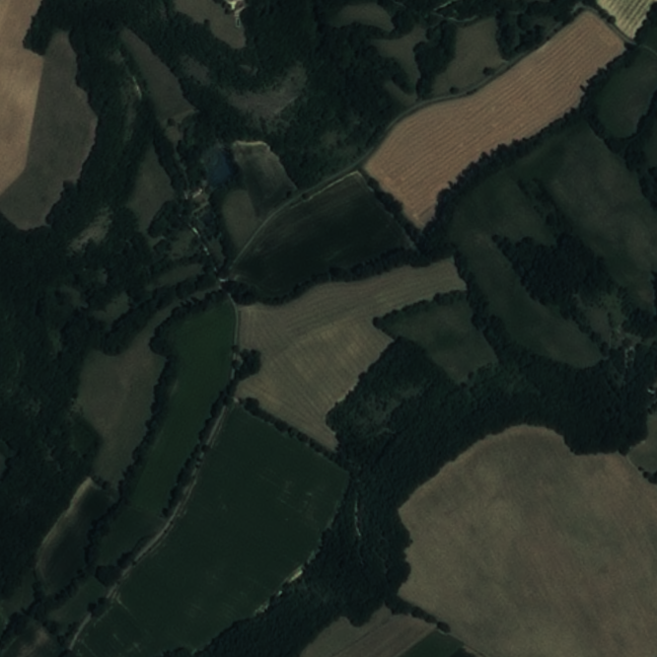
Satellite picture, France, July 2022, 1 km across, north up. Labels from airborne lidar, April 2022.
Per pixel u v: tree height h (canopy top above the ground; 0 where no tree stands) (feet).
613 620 0
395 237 0
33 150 0
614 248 0
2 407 34
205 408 0
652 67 0
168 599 0
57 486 60
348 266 0
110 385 0
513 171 0
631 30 0
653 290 0
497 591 0
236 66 36
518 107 0
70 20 36
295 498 0
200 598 0
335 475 0
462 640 0
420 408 42
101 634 0
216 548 0
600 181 0
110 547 0
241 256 0
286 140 34
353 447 63
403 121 0
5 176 0
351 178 0
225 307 0
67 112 0
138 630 0
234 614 0
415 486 22
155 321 0
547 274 58
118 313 0
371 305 0
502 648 0
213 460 0
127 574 0
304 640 38
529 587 0
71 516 0
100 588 0
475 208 0
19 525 58
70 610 0
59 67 0
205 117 47
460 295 53
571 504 0
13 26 0
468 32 0
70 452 57
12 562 90
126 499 35
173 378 45
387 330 23
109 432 0
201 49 56
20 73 0
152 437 57
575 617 0
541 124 0
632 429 52
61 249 32
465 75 0
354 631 0
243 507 0
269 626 38
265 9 53
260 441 0
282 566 0
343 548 41
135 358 0
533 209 0
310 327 0
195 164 27
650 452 0
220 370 0
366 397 26
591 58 0
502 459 0
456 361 0
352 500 30
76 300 0
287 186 0
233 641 55
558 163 0
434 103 0
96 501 0
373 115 40
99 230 0
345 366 0
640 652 0
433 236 81
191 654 44
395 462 61
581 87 0
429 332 0
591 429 58
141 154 45
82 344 76
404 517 0
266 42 57
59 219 44
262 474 0
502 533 0
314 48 21
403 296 0
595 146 0
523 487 0
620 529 0
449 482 0
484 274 0
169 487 0
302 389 0
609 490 0
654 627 0
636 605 0
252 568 0
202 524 0
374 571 49
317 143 20
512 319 0
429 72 56
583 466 0
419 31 0
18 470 56
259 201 0
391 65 20
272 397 0
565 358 0
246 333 0
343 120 49
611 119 0
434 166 0
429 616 31
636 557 0
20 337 44
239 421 0
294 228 0
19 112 0
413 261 72
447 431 46
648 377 43
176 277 0
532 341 0
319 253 0
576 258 67
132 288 63
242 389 0
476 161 0
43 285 73
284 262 0
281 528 0
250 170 0
